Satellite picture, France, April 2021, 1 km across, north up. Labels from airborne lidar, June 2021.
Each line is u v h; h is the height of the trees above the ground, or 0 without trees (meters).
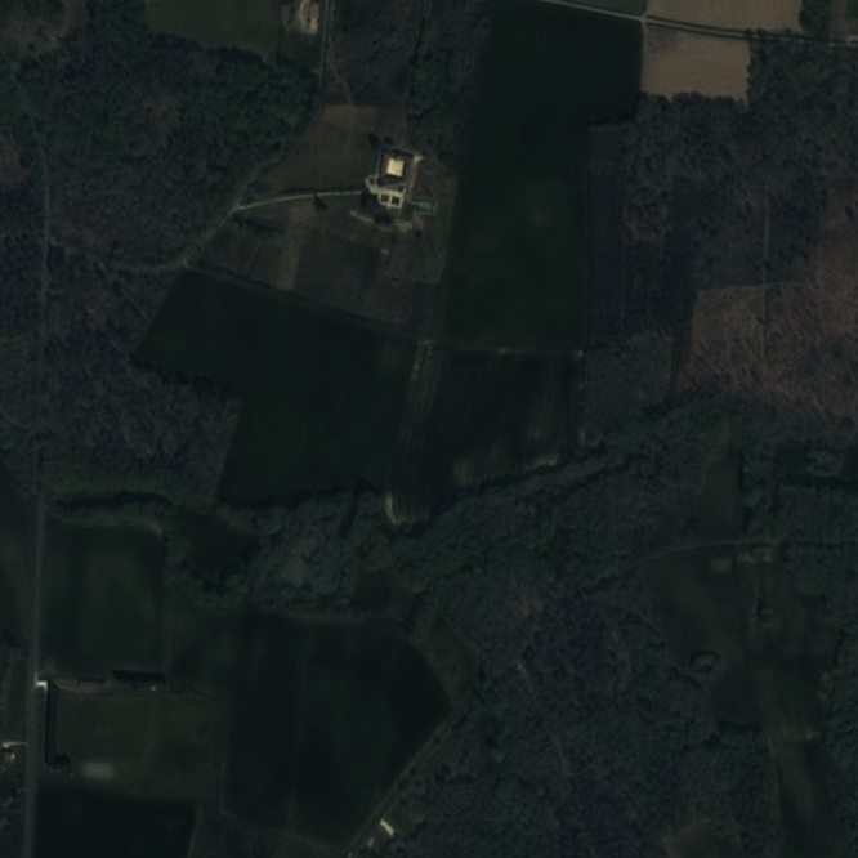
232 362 0
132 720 0
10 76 24
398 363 0
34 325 21
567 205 0
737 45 0
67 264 27
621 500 20
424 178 0
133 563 0
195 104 20
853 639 21
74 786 0
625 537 11
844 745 13
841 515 28
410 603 0
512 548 20
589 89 0
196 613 0
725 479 0
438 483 0
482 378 0
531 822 18
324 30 0
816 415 12
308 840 0
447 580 15
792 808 0
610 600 18
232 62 22
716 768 16
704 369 13
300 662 0
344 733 0
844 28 0
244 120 22
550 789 16
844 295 0
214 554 0
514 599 16
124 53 11
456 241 0
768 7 0
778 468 11
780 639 0
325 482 0
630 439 22
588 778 19
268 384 0
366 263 0
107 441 14
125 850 0
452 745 0
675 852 0
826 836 0
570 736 18
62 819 0
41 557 0
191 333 0
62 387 17
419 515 0
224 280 9
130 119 7
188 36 0
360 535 26
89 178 9
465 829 21
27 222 23
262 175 8
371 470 0
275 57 0
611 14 0
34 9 22
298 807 0
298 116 17
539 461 0
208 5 0
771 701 0
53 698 14
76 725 0
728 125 16
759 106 12
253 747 0
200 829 0
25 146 16
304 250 0
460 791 18
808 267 10
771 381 9
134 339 22
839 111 12
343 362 0
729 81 0
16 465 13
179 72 23
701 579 0
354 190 6
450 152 7
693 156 10
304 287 0
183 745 0
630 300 6
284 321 0
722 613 0
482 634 17
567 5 0
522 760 16
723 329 0
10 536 0
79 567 0
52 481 24
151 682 14
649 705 22
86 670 0
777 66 20
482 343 0
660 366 18
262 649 0
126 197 14
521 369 0
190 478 30
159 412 24
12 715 0
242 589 19
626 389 17
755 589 0
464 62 8
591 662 23
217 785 0
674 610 0
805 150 11
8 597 0
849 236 0
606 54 0
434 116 14
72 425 17
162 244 14
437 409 0
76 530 0
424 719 0
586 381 16
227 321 0
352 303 0
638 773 18
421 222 0
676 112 12
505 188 0
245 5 0
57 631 0
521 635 11
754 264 15
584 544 22
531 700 17
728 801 18
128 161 14
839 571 22
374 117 0
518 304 0
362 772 0
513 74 0
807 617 0
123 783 0
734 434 17
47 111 23
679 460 23
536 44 0
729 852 0
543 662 16
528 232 0
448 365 0
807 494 19
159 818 0
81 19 0
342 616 18
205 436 25
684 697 19
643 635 22
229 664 0
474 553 18
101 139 15
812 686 0
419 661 0
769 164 14
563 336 0
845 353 18
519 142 0
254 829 0
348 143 0
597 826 19
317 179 0
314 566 9
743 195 15
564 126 0
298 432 0
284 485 0
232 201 13
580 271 0
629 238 12
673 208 11
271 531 22
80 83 23
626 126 15
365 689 0
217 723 0
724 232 15
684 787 21
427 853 17
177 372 0
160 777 0
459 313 0
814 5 14
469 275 0
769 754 17
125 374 24
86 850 0
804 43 17
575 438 0
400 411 0
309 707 0
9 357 6
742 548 0
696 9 0
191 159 19
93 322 23
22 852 0
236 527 0
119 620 0
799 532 16
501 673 14
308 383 0
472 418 0
